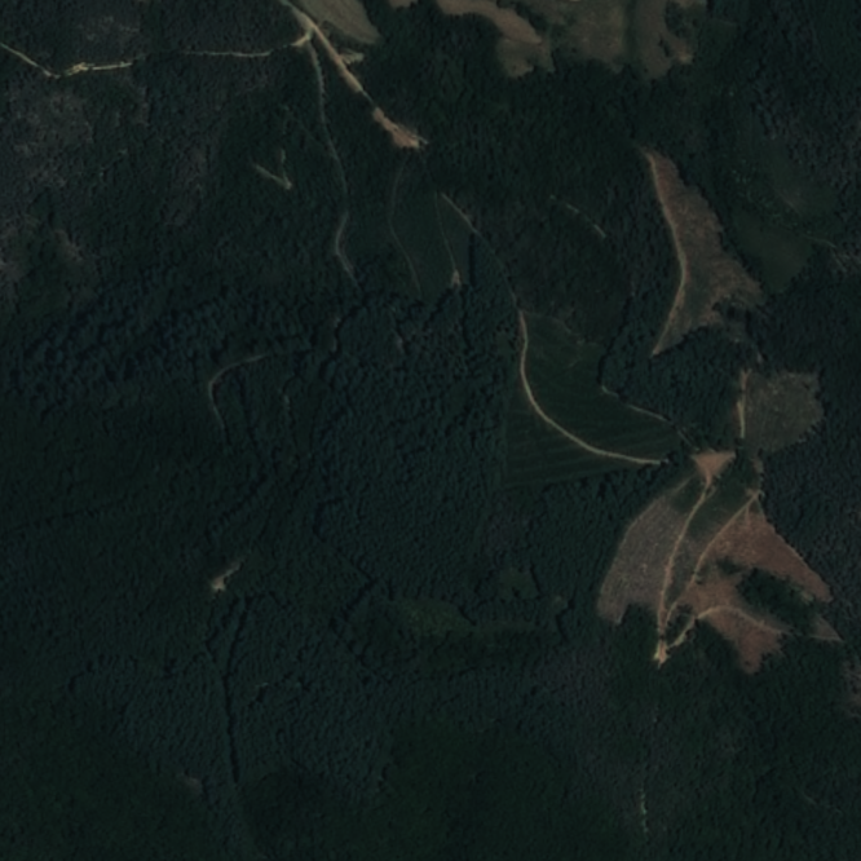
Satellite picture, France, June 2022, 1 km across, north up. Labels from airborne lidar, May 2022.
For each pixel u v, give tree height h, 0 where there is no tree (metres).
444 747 17
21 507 19
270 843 16
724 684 16
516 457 0
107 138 11
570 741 31
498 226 7
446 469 26
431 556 26
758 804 22
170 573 16
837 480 14
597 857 20
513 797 17
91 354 9
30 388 23
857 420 17
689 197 31
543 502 20
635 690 24
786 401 0
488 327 26
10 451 18
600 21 0
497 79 25
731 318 33
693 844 25
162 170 14
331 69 9
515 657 18
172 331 20
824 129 9
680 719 19
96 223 11
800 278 9
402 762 23
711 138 11
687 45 0
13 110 8
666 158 39
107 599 14
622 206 10
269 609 31
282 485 9
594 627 31
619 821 12
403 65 8
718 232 36
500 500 18
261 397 10
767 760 25
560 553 27
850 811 14
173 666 10
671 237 23
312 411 10
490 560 16
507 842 18
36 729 18
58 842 17
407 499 31
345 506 33
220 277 18
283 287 11
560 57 9
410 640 9
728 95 10
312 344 10
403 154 9
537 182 9
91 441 21
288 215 12
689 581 0
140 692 36
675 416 27
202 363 36
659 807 18
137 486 19
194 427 23
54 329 21
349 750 38
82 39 11
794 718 15
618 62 0
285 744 32
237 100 8
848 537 11
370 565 32
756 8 20
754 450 0
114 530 20
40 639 10
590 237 7
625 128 19
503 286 21
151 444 24
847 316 32
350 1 0
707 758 16
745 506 0
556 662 18
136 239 16
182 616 11
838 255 11
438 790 21
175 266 28
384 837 15
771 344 16
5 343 15
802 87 8
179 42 15
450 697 21
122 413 15
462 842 27
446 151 15
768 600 8
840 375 17
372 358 19
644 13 0
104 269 15
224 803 28
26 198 14
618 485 31
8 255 16
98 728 20
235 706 35
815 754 16
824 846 18
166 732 32
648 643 18
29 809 18
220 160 11
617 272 10
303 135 11
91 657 13
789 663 19
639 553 0
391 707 32
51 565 23
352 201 15
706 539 0
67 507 22
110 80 7
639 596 0
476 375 21
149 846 18
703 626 24
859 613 15
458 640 16
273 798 21
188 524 15
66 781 18
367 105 6
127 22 10
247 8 9
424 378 28
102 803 20
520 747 19
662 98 15
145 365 26
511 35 0
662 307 33
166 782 15
